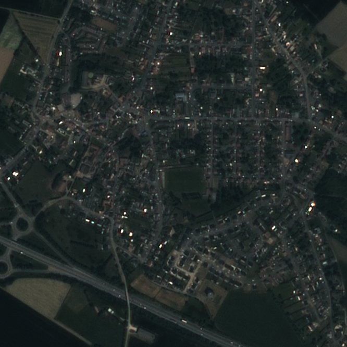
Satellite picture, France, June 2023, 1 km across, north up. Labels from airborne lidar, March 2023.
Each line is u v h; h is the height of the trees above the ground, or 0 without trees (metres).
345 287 0
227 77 0
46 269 0
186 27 0
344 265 0
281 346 0
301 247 12
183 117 0
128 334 0
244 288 0
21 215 0
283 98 16
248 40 0
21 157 0
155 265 9
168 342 0
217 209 11
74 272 0
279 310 0
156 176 0
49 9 0
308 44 0
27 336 0
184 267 0
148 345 0
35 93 0
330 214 14
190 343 0
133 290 7
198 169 0
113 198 0
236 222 0
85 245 9
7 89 0
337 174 11
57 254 0
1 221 6
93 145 0
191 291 7
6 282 14
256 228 0
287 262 13
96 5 0
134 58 0
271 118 0
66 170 0
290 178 0
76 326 0
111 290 0
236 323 0
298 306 0
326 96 10
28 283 0
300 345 0
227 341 0
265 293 0
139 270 0
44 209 0
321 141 0
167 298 0
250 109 0
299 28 0
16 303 0
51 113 12
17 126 7
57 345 0
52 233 0
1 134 0
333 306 8
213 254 6
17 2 0
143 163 0
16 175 0
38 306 0
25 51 0
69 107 0
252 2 0
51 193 0
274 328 0
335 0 0
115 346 0
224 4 0
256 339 0
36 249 8
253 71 0
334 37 0
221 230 0
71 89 12
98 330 0
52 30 0
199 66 9
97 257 0
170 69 0
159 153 0
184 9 8
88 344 0
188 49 0
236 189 17
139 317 0
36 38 0
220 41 0
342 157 0
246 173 0
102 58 10
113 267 0
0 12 0
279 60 10
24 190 0
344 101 18
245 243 0
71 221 0
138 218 0
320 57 0
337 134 0
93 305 11
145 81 0
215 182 0
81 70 13
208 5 0
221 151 7
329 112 18
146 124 0
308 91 0
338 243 0
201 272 0
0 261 0
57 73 0
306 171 0
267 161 0
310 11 0
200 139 16
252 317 0
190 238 0
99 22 0
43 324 0
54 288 0
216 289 0
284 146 0
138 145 13
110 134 0
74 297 0
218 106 13
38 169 0
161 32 0
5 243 0
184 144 13
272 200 0
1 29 0
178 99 0
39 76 0
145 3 0
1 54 0
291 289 0
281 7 0
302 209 0
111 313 8
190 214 12
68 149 0
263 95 0
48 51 0
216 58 10
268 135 9
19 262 0
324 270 11
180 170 0
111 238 0
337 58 0
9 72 0
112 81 0
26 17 0
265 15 13
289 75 8
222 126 0
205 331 0
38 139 12
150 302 0
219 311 0
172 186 0
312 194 0
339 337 0
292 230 7
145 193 0
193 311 0
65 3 7
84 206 0
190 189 0
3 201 0
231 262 0
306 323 0
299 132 16
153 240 0
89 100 0
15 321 0
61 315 0
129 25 0
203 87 0
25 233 0
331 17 0
